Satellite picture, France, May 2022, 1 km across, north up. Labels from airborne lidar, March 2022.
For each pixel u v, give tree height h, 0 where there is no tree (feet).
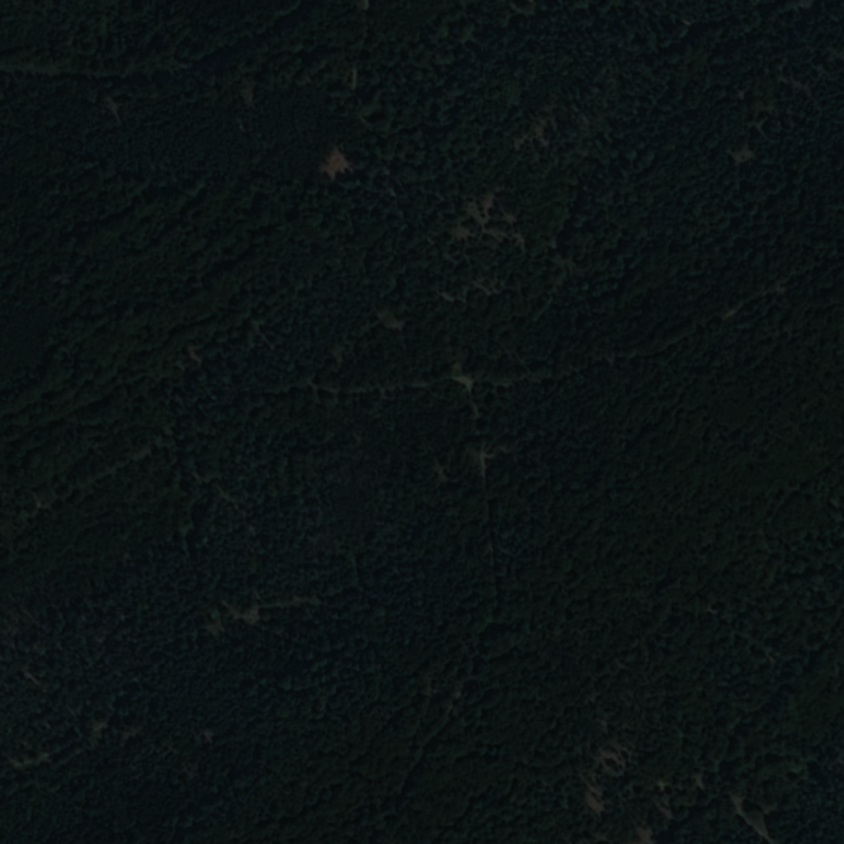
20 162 44
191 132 45
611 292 41
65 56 88
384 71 98
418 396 28
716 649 87
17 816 39
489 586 61
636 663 43
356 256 92
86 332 83
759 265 42
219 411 100
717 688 83
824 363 33
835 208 38
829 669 83
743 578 34
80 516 22
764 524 51
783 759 112
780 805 38
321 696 28
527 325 39
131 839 72
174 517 59
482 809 32
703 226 61
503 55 45
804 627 105
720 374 41
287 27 71
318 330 98
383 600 93
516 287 45
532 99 34
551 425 36
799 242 45
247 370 102
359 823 41
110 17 71
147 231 54
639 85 113
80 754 40
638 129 82
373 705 52
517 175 41
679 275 43
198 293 84
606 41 44
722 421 33
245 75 51
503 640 73
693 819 73
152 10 50
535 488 53
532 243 47
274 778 73
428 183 90
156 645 91
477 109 31
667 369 28
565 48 38
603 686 47
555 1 119
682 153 72
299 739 73
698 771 62
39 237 58
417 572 72
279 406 76
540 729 34
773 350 21
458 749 49
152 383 40
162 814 47
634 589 30
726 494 40
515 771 67
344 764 47
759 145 33
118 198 81
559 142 54
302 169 59
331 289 95
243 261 86
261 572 67
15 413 84
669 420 53
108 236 88
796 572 42
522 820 45
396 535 67
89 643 85
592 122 120
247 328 84
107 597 76
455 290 40
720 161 61
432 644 45
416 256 75
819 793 51
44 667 85
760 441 25
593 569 51
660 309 49
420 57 86
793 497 44
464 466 50
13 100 57
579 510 58
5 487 100
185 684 62
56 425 73
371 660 70
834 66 22
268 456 73
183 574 94
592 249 70
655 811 43
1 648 77
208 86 112
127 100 61
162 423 22
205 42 49
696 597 41
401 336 43
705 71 76
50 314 40
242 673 42
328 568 55
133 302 56
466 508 67
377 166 100
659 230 69
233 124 45
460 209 88
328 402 86
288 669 29
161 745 48
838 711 57
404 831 52
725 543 49
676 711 67
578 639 23
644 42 108
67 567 38
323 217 74
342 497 28
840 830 56
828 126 46
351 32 51
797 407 38
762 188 52
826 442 47
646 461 55
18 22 47
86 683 84
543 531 61
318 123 49
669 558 23
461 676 55
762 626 92
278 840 42
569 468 38
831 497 35
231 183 41
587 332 52
